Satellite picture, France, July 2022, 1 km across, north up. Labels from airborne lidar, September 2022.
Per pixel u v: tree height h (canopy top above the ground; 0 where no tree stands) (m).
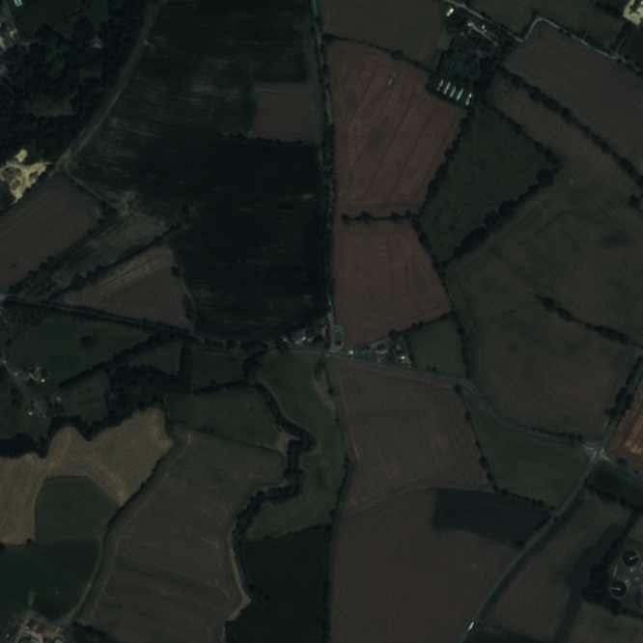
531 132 0
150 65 0
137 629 0
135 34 18
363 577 0
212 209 0
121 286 0
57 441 0
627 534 6
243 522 15
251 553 0
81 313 7
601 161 0
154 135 0
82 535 0
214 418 0
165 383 29
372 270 0
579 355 0
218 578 0
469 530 0
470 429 0
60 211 0
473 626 0
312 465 0
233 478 0
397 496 0
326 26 0
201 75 0
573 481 0
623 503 14
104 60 14
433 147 0
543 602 0
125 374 26
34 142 18
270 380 0
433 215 0
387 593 0
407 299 0
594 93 0
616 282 0
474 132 0
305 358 0
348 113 0
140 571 0
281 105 0
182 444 0
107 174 0
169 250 0
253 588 12
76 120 16
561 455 0
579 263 0
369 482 0
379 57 0
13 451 29
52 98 26
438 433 0
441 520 0
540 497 0
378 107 0
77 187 6
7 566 0
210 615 0
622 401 15
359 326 0
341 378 0
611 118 0
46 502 0
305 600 0
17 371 0
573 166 0
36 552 0
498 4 0
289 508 0
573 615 0
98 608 0
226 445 0
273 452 0
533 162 0
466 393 0
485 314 0
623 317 0
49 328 0
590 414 0
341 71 0
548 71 0
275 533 0
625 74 0
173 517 0
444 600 0
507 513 0
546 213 0
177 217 0
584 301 0
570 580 0
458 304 0
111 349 0
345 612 0
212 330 0
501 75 13
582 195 0
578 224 0
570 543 0
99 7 0
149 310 0
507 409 0
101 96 20
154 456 0
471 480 0
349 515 0
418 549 0
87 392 0
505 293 0
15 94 21
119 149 0
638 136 0
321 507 0
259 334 0
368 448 0
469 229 0
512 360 0
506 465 0
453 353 0
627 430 0
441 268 11
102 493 0
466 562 0
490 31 9
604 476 0
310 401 0
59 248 0
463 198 0
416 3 0
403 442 0
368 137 0
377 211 0
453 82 6
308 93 0
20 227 0
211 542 0
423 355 0
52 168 9
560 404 0
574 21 0
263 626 0
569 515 0
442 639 0
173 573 0
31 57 14
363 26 0
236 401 0
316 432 0
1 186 0
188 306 18
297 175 0
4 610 0
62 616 0
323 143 10
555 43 0
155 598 0
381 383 0
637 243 0
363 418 0
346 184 0
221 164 0
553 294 0
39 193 0
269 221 0
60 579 0
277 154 0
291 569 0
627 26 11
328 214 10
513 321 0
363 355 0
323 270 8
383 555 0
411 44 0
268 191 0
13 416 0
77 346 0
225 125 0
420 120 0
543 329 0
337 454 0
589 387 0
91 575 0
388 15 0
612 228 0
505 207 16
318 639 0
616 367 0
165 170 0
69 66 33
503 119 7
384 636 0
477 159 0
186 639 0
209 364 0
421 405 0
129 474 0
